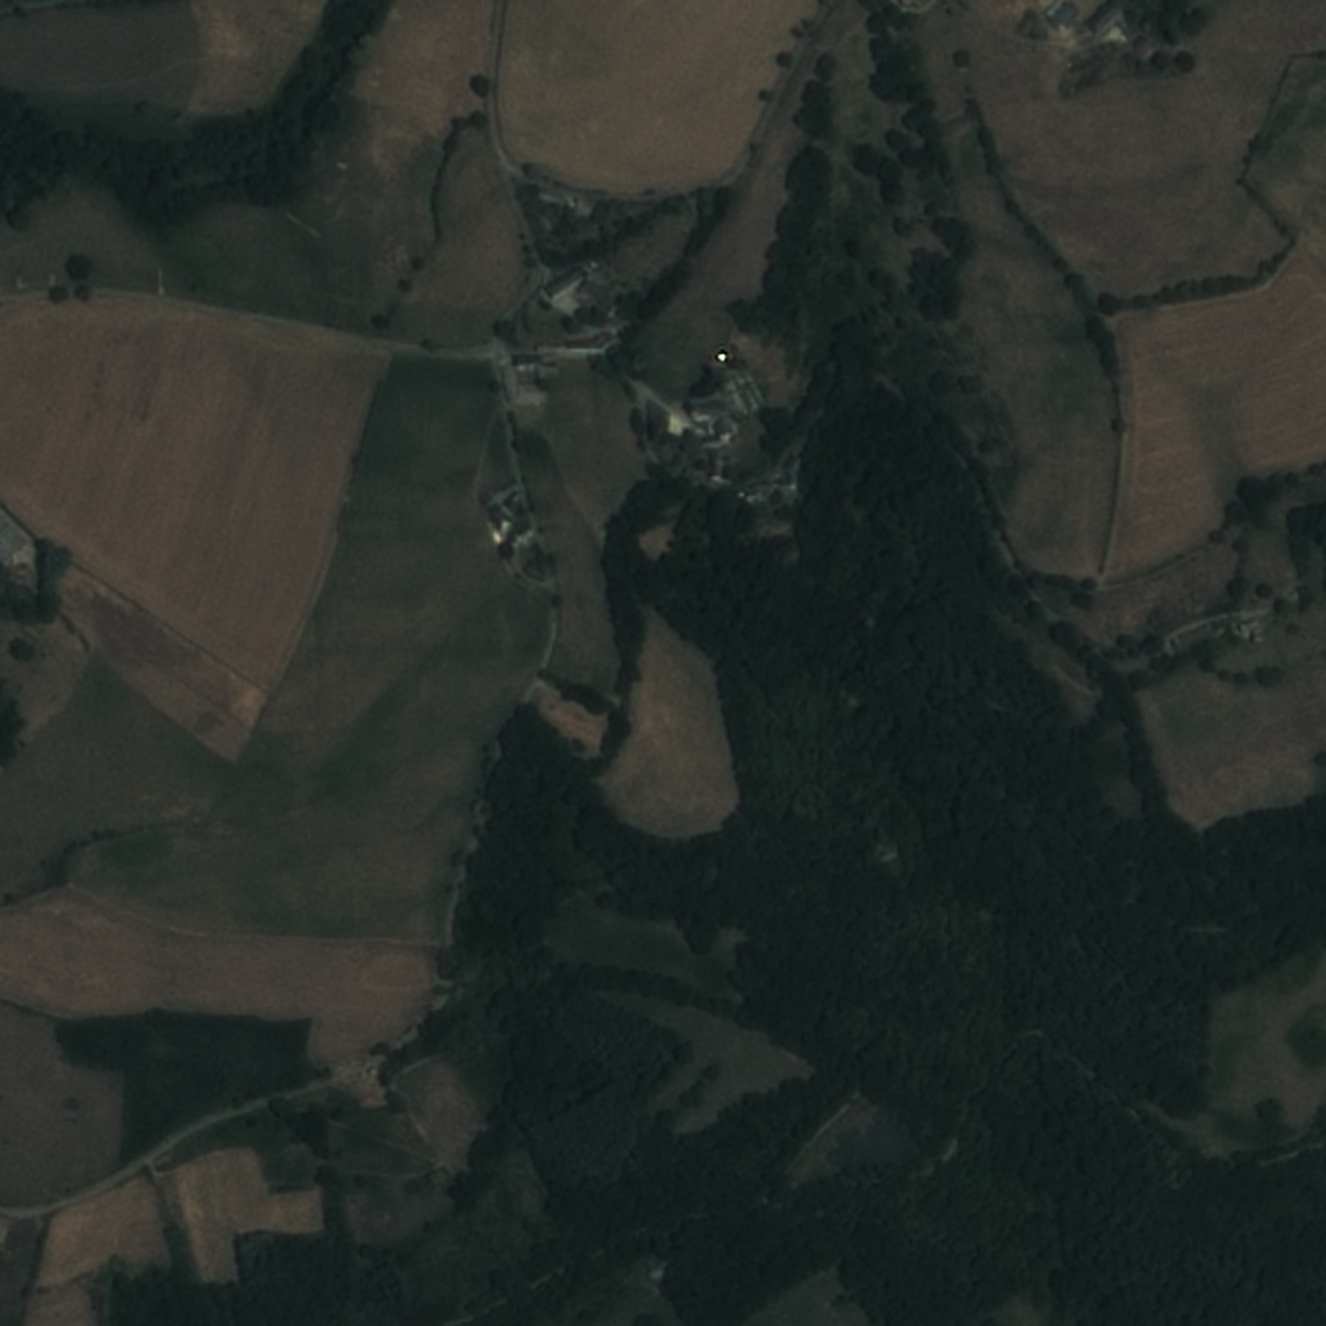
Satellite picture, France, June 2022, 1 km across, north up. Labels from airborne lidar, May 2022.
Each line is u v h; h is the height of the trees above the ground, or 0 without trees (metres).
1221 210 0
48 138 21
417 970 0
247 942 0
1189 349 0
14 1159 0
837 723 8
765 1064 0
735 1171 13
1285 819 18
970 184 0
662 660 0
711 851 17
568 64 0
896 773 17
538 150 0
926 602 8
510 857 20
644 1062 23
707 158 0
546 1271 19
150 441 0
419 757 0
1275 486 11
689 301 0
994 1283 17
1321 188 0
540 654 0
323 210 0
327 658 0
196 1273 0
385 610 0
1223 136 0
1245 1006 0
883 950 15
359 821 0
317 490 0
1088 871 14
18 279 0
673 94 0
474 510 0
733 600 24
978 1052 8
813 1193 12
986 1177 12
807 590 14
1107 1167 22
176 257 0
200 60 0
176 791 0
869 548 15
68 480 0
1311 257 0
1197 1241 14
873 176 27
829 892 12
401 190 0
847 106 0
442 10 0
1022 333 0
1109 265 0
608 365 11
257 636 0
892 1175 15
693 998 13
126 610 0
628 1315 0
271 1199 0
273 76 0
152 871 0
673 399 0
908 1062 14
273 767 0
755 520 12
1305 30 0
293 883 0
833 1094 13
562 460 0
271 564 0
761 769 12
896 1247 17
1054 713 14
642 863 15
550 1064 17
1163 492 0
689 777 0
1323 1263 14
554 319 0
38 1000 0
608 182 0
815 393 14
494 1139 13
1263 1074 0
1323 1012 0
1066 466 0
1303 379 0
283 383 0
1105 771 0
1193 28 12
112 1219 0
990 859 22
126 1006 0
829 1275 12
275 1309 15
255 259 0
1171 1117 15
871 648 19
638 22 0
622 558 21
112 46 0
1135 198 0
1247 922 14
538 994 10
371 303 0
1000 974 14
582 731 0
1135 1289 19
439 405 0
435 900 0
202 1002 0
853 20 0
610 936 0
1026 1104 19
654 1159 12
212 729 0
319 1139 15
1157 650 18
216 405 0
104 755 0
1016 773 19
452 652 0
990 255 0
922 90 9
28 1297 9
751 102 0
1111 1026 12
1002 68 0
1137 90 0
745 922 15
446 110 0
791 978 16
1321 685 0
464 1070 0
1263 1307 14
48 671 0
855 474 16
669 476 11
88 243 0
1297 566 7
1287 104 0
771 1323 0
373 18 10
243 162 9
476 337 0
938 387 16
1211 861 17
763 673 19
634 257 0
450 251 0
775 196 0
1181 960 15
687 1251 22
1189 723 0
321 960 0
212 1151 0
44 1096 0
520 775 20
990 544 9
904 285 0
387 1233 0
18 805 0
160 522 0
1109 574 0
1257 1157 10
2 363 0
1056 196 0
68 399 0
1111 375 12
